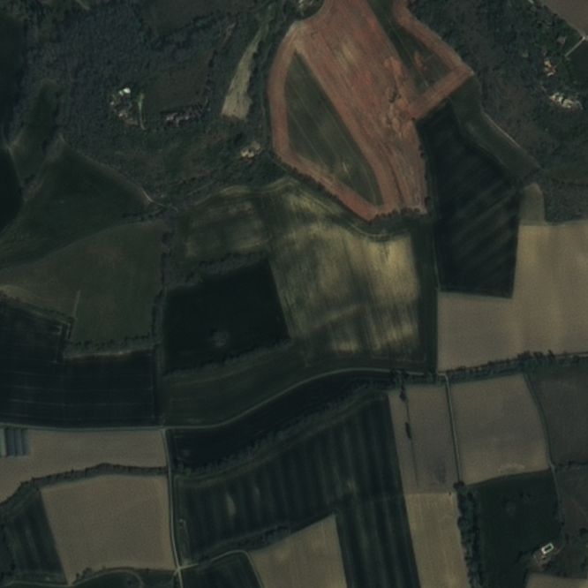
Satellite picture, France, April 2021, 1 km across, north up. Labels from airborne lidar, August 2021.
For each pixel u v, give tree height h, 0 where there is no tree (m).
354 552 0
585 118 13
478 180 0
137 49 24
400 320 0
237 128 19
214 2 0
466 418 0
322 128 0
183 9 0
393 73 0
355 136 0
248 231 0
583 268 0
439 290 0
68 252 0
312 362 0
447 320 0
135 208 0
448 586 0
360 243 0
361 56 0
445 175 0
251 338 0
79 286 0
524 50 20
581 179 0
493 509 0
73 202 0
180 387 0
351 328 0
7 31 0
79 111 14
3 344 0
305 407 0
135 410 0
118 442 0
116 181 0
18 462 0
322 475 0
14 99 0
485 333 0
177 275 16
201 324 0
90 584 0
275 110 0
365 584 0
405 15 0
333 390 0
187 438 0
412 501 0
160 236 0
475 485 0
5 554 0
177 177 9
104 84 16
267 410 0
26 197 18
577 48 0
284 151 0
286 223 0
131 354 0
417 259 0
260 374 0
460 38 10
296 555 0
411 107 0
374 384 8
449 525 0
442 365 0
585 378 0
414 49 0
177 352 0
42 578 0
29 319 0
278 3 11
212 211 0
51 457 0
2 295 14
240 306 0
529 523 0
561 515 16
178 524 0
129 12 25
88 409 0
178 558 0
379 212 0
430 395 0
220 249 0
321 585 0
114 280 0
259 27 8
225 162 7
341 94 0
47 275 0
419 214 14
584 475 0
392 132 0
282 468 0
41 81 18
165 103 0
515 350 0
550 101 14
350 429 0
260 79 22
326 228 0
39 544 0
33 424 0
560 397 0
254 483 0
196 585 0
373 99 0
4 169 0
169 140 8
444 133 0
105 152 16
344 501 0
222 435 0
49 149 21
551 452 0
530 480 0
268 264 0
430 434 0
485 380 0
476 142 0
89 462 0
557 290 0
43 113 0
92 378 0
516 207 0
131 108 10
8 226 0
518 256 0
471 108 0
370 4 0
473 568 14
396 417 0
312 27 0
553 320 0
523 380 0
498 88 16
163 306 20
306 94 0
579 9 0
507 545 0
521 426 0
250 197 0
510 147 0
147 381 0
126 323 0
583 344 0
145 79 13
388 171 0
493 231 0
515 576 0
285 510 0
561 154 10
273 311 0
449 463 0
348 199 0
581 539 6
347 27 0
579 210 8
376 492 0
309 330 0
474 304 0
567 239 0
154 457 0
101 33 20
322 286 0
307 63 0
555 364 18
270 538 13
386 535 0
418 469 0
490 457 0
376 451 0
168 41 11
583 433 0
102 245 0
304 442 0
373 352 0
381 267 0
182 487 0
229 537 0
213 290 0
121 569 0
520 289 0
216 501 0
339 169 0
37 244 0
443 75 0
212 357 0
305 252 0
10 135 16
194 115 8
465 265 0
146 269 0
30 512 0
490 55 0
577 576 0
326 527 0
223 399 0
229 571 0
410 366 0
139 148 10
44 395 0
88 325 0
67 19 0
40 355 0
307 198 0
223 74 21
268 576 0
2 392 0
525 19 11
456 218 0
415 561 0
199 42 16
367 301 0
